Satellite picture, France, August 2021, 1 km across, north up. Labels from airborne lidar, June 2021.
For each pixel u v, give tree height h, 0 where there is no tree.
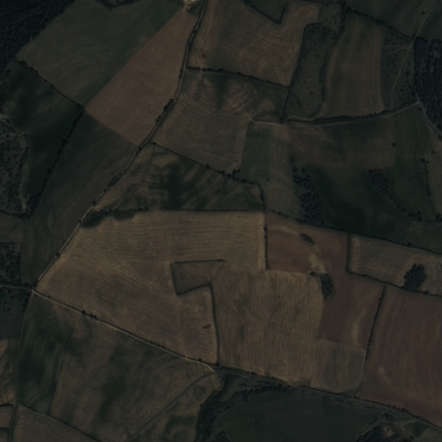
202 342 0
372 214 0
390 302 0
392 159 0
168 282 0
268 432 0
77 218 0
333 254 0
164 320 0
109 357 0
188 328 0
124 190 0
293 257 0
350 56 0
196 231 0
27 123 0
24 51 0
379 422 0
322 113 0
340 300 0
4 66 9
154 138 0
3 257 8
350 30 0
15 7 17
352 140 0
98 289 0
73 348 0
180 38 0
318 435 0
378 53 0
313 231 0
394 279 0
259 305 0
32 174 0
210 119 0
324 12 0
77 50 0
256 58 0
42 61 0
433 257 0
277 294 0
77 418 0
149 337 0
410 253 0
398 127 0
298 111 0
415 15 0
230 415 0
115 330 0
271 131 0
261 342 0
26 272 0
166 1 0
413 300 0
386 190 11
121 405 0
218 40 0
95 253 0
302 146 0
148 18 0
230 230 0
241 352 0
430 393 0
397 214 0
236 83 0
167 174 0
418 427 0
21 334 0
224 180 0
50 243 0
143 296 0
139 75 0
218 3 0
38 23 12
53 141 0
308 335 0
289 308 0
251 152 0
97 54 0
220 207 0
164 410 0
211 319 0
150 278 0
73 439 0
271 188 0
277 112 0
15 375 0
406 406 0
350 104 0
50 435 0
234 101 0
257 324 0
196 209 0
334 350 0
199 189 0
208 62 0
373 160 0
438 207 0
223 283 0
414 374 0
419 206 0
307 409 0
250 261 0
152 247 0
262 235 0
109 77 0
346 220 0
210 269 0
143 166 0
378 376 0
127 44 0
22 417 0
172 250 0
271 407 0
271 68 0
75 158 0
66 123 0
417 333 0
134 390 0
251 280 0
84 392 0
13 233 0
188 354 0
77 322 0
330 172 0
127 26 0
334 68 0
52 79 0
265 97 0
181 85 0
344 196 0
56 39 0
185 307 0
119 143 0
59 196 0
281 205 0
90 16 0
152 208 0
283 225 0
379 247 0
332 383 0
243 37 0
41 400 0
